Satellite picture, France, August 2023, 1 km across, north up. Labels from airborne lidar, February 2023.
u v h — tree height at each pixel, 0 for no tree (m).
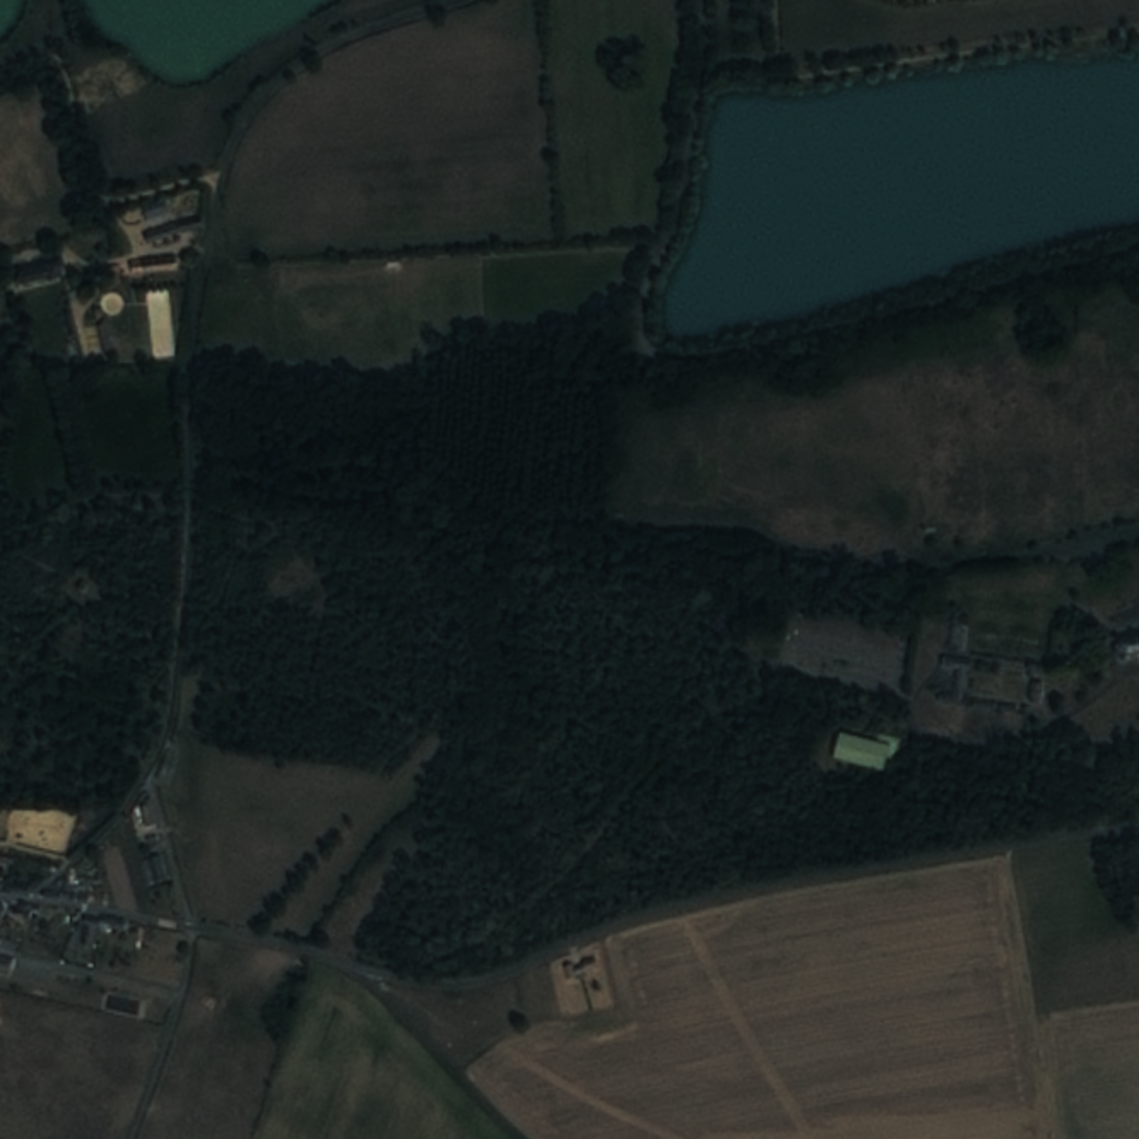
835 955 0
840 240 0
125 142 0
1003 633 0
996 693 0
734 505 0
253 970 0
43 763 16
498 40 0
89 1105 0
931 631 0
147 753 15
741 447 0
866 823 8
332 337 0
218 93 0
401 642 8
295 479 19
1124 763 20
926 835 9
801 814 21
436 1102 0
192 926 0
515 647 19
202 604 11
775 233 0
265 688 15
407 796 0
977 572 12
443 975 7
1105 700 0
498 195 0
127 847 0
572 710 9
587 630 18
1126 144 0
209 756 0
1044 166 0
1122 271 11
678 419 0
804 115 0
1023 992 0
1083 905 0
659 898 6
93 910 0
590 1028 0
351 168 0
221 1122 0
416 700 17
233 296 0
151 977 0
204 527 9
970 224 0
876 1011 0
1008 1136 0
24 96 18
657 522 0
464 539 20
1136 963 0
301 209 0
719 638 14
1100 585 22
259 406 35
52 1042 0
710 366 16
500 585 26
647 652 14
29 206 0
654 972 0
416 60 0
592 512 13
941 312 11
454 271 0
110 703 12
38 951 0
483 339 24
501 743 18
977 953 0
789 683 21
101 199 28
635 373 18
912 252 0
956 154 0
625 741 17
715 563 19
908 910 0
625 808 7
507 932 8
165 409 0
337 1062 0
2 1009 0
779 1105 0
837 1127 0
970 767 14
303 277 0
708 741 27
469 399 21
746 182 0
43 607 14
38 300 0
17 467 0
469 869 12
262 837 0
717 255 0
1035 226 0
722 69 7
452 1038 0
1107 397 0
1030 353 19
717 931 0
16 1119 0
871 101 0
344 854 0
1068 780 21
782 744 21
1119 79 0
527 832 21
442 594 14
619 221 0
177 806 0
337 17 0
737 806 17
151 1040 0
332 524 20
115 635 15
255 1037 0
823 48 0
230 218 0
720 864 10
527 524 10
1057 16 0
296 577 0
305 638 16
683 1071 0
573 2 0
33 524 11
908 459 0
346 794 0
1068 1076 0
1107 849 16
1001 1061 0
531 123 0
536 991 0
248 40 0
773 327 8
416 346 0
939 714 0
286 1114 0
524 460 28
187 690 0
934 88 0
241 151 0
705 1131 0
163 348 0
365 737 12
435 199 0
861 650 0
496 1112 0
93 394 21
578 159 0
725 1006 0
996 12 0
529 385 18
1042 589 0
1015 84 0
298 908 0
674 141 12
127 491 12
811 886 0
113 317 0
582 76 0
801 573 21
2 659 14
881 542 0
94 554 8
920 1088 0
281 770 9
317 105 0
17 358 27
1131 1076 0
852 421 0
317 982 0
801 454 0
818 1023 0
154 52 0
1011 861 0
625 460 0
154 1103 0
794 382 13
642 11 0
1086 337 0
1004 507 0
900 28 0
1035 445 0
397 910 14
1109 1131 0
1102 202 0
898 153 0
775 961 0
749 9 6
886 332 13
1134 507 0
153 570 13
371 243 0
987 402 0
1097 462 0
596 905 11
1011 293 15
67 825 0
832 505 0
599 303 0
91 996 0
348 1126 0
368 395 29
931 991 0
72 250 0
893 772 9
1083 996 0
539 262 0
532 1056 0
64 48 17
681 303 0
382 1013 0
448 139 0
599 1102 0
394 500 25
